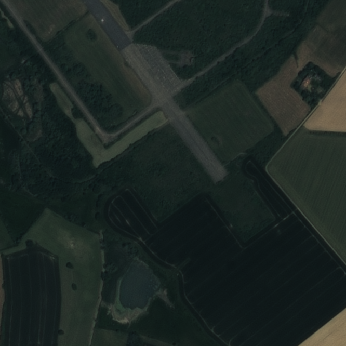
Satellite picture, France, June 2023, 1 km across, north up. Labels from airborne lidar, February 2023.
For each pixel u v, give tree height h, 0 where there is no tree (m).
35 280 0
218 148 0
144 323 0
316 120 0
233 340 0
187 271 0
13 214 0
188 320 0
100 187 7
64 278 0
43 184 13
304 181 0
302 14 10
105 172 6
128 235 0
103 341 0
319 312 0
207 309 0
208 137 0
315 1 8
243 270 0
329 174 0
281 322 0
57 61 11
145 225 0
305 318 0
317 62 0
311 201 0
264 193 0
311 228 0
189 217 0
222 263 0
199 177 0
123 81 0
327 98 0
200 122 0
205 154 0
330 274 0
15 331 0
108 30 0
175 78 0
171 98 0
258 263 0
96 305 0
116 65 0
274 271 0
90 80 0
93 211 0
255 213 0
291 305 0
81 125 0
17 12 0
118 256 0
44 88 8
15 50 7
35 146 6
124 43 0
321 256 0
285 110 0
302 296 0
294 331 0
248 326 0
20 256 0
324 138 0
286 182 0
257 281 0
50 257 0
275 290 0
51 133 14
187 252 0
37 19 0
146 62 0
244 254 0
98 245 0
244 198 0
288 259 0
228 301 0
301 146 0
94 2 0
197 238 0
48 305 0
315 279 0
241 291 0
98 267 0
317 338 0
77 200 0
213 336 0
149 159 0
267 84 0
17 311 0
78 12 0
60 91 0
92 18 0
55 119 7
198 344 0
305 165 0
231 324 0
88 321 0
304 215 0
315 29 0
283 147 0
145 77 0
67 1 0
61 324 0
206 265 0
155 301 0
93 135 0
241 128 0
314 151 0
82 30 0
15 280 0
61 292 0
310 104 10
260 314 0
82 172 16
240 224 0
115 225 0
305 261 0
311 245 0
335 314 0
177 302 0
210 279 0
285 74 0
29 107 0
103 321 0
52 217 0
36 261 0
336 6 0
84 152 7
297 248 0
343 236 0
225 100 0
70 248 0
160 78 0
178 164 0
